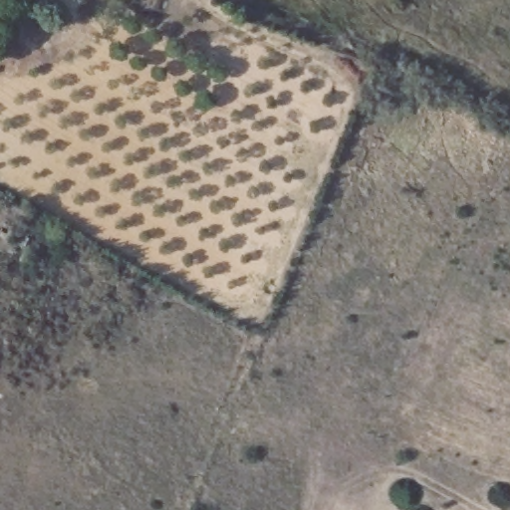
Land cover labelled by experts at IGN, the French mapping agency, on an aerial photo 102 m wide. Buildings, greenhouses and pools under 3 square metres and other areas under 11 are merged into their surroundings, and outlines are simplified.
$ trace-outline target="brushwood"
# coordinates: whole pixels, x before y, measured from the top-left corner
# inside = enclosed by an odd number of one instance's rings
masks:
[[[502,510],[510,510],[510,484],[496,482],[488,492],[488,500]]]
[[[94,349],[116,351],[116,343],[124,337],[120,327],[124,325],[124,313],[116,311],[112,313],[112,321],[100,321],[86,329],[86,339],[92,343]]]
[[[62,371],[62,379],[56,379],[50,367],[62,363],[64,347],[70,343],[70,339],[78,337],[78,327],[84,319],[80,295],[76,291],[68,291],[68,281],[62,277],[62,265],[52,263],[50,259],[38,261],[32,255],[38,247],[46,243],[46,221],[50,217],[62,223],[62,241],[68,259],[78,261],[80,253],[86,251],[90,245],[98,245],[98,249],[106,249],[106,245],[110,243],[108,239],[98,237],[98,227],[90,225],[76,213],[70,213],[60,203],[60,199],[52,197],[50,193],[32,195],[28,191],[14,189],[0,181],[0,201],[6,207],[20,205],[22,209],[30,211],[28,217],[16,217],[6,221],[8,225],[12,225],[10,243],[14,245],[14,253],[10,255],[0,251],[0,369],[2,365],[10,367],[8,381],[14,386],[22,384],[34,388],[36,382],[34,377],[30,377],[30,369],[48,379],[46,390],[52,390],[54,386],[68,388],[72,384],[66,371]]]
[[[249,446],[245,448],[245,456],[249,462],[259,462],[265,458],[267,446]]]
[[[410,478],[400,480],[396,480],[388,490],[392,504],[400,510],[432,510],[422,502],[422,486],[418,482]]]

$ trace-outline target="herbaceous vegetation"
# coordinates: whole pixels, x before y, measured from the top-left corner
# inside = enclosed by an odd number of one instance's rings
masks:
[[[48,74],[60,62],[90,58],[98,50],[100,42],[94,38],[94,34],[102,32],[104,28],[96,18],[66,28],[50,38],[38,26],[36,20],[16,18],[12,22],[12,28],[8,30],[8,40],[2,54],[6,60],[0,60],[0,74],[4,72],[8,78],[42,76]]]
[[[14,386],[8,381],[10,367],[2,365],[0,369],[0,510],[333,510],[337,494],[363,494],[369,488],[382,484],[382,476],[388,472],[394,472],[400,480],[410,478],[418,482],[422,486],[422,502],[432,510],[502,510],[488,500],[488,492],[496,482],[510,484],[510,139],[498,135],[496,131],[480,131],[470,112],[460,114],[456,110],[432,110],[430,106],[420,106],[414,116],[410,108],[404,106],[392,106],[390,110],[379,106],[375,124],[361,127],[359,131],[359,141],[353,149],[353,157],[343,167],[343,197],[329,203],[331,217],[327,217],[321,223],[319,239],[307,251],[303,273],[295,287],[297,295],[289,303],[287,315],[279,321],[277,331],[271,337],[247,333],[237,327],[243,319],[235,315],[231,317],[231,323],[225,323],[215,313],[185,301],[179,293],[175,293],[173,287],[165,285],[159,279],[153,279],[151,285],[145,285],[143,289],[135,287],[131,279],[122,279],[112,265],[96,261],[98,249],[98,245],[90,245],[86,251],[80,253],[78,261],[68,259],[62,265],[62,277],[68,281],[68,291],[76,291],[80,295],[84,319],[78,327],[78,337],[70,339],[70,343],[64,347],[62,363],[50,367],[56,379],[62,379],[62,371],[66,371],[72,384],[68,388],[54,386],[52,390],[46,390],[48,379],[30,369],[30,377],[34,377],[36,382],[34,388],[22,384]],[[116,351],[94,349],[92,343],[86,339],[86,329],[100,321],[112,321],[112,313],[116,311],[124,313],[124,325],[120,327],[124,337],[116,343]],[[249,446],[267,446],[265,458],[259,462],[249,462],[245,456],[245,448]]]
[[[22,209],[20,205],[6,207],[0,201],[0,251],[10,255],[14,253],[14,245],[10,243],[12,225],[8,225],[6,221],[16,217],[28,217],[30,211]]]
[[[355,24],[359,24],[359,30],[365,34],[367,40],[382,44],[400,42],[402,46],[424,56],[452,56],[460,64],[464,64],[472,74],[480,74],[484,82],[488,82],[490,86],[510,90],[510,0],[213,0],[213,4],[221,6],[239,24],[259,24],[271,32],[279,32],[289,38],[297,38],[301,42],[327,48],[339,34],[343,34],[345,30],[353,30]]]
[[[122,0],[126,8],[135,12],[135,22],[141,26],[157,26],[157,22],[165,16],[163,6],[169,0]]]

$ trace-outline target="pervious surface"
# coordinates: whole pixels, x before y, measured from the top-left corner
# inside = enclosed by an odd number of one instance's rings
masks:
[[[394,472],[388,472],[382,476],[382,484],[369,488],[363,494],[337,494],[333,510],[400,510],[392,504],[388,490],[396,480],[400,480]]]
[[[34,6],[56,6],[58,16],[66,28],[96,18],[100,0],[28,0]]]

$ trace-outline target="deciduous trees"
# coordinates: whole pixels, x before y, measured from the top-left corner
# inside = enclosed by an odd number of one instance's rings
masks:
[[[199,145],[189,151],[183,151],[173,161],[163,159],[147,167],[145,173],[153,177],[173,169],[183,159],[191,161],[207,155],[209,145]]]
[[[44,108],[40,108],[40,118],[58,114],[66,108],[66,102],[52,100]]]
[[[460,64],[452,56],[424,56],[402,46],[400,42],[382,44],[367,40],[365,34],[359,30],[359,24],[355,24],[353,30],[345,30],[343,34],[339,34],[327,48],[335,52],[337,60],[341,64],[347,64],[349,70],[357,76],[361,94],[357,96],[355,108],[349,114],[345,133],[341,135],[337,151],[331,159],[331,169],[325,175],[325,181],[315,197],[315,207],[309,213],[305,235],[285,273],[285,283],[281,285],[275,279],[267,279],[263,283],[263,293],[273,299],[271,313],[261,321],[243,319],[237,327],[247,333],[271,337],[277,331],[279,321],[287,315],[289,303],[297,295],[295,287],[303,273],[307,251],[319,239],[321,223],[327,217],[331,217],[329,203],[343,197],[343,167],[353,157],[353,149],[359,141],[359,131],[361,127],[375,124],[379,106],[390,110],[392,106],[404,106],[410,108],[414,116],[420,106],[430,106],[432,110],[456,110],[460,114],[470,112],[480,131],[496,131],[498,135],[510,139],[510,90],[490,86],[488,82],[484,82],[480,74],[472,74],[464,64]]]
[[[177,187],[187,181],[195,181],[195,171],[183,171],[175,177],[169,177],[167,185]]]
[[[253,143],[251,147],[237,151],[241,159],[257,157],[265,151],[263,143]]]
[[[151,110],[157,114],[167,108],[177,108],[181,104],[183,94],[175,94],[171,100],[151,104]]]
[[[187,133],[175,133],[161,141],[161,149],[183,145],[189,141]]]
[[[165,50],[161,50],[163,56],[169,62],[185,66],[183,74],[173,76],[177,84],[191,80],[193,76],[203,76],[207,82],[221,76],[227,78],[211,62],[203,60],[201,56],[195,56],[195,52],[181,50],[171,38],[167,38]]]
[[[102,32],[94,34],[94,38],[100,42],[108,40],[112,58],[126,60],[127,64],[131,64],[131,68],[143,70],[135,54],[124,56],[122,42],[118,42],[114,36],[120,26],[124,26],[129,32],[129,38],[141,38],[145,44],[153,46],[161,38],[153,30],[141,34],[141,26],[135,22],[135,12],[126,8],[122,0],[100,0],[96,18],[104,28]]]
[[[131,100],[157,94],[159,84],[167,76],[161,70],[155,70],[149,82],[145,82],[137,92],[131,94]]]
[[[221,147],[247,139],[245,131],[233,131],[217,139]]]
[[[159,187],[145,187],[133,195],[135,205],[149,203],[163,195]]]
[[[127,155],[126,163],[143,161],[147,159],[147,155],[153,153],[153,147],[141,147]]]
[[[50,259],[52,263],[62,265],[68,259],[62,241],[62,223],[50,217],[46,221],[46,243],[38,247],[32,255],[38,261]]]
[[[106,245],[106,249],[98,249],[96,261],[112,265],[122,279],[131,279],[135,287],[143,289],[145,285],[151,285],[153,279],[159,279],[165,285],[173,287],[175,293],[179,293],[185,301],[215,313],[225,323],[231,323],[231,317],[235,315],[231,307],[213,301],[211,293],[201,295],[199,285],[187,279],[187,275],[191,273],[191,265],[205,261],[205,251],[193,251],[185,255],[185,263],[181,265],[181,269],[173,273],[169,265],[143,263],[143,251],[139,247],[108,239],[110,243]]]
[[[251,223],[259,215],[259,209],[245,209],[233,217],[235,225]]]
[[[8,40],[8,30],[12,28],[12,22],[16,18],[36,20],[38,26],[50,38],[66,28],[58,16],[56,6],[34,6],[28,0],[0,0],[0,60],[6,60],[2,54]]]
[[[259,68],[273,68],[285,62],[285,54],[271,48],[267,52],[267,58],[259,60]]]
[[[235,122],[249,120],[255,129],[275,126],[275,118],[259,120],[257,106],[245,106],[243,110],[233,112]]]
[[[179,20],[181,28],[189,26],[193,18],[201,22],[209,20],[211,14],[207,10],[197,8],[193,14],[187,14]]]
[[[245,235],[233,235],[221,241],[221,251],[237,249],[245,243]]]
[[[205,114],[205,110],[199,110],[193,104],[189,110],[171,114],[175,126],[183,122],[193,122],[195,133],[205,135],[207,131],[227,126],[223,118],[213,118],[207,124],[201,124],[201,116]]]

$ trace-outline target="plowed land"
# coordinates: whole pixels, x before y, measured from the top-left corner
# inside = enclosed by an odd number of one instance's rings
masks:
[[[211,14],[209,20],[201,22],[193,18],[189,26],[181,28],[179,20],[187,14],[193,14],[197,8],[207,10]],[[28,191],[32,195],[50,193],[52,197],[60,199],[60,203],[70,213],[76,213],[90,225],[98,227],[98,237],[108,239],[139,247],[143,251],[143,263],[169,265],[173,273],[181,269],[181,265],[185,263],[185,255],[193,251],[205,251],[205,261],[191,265],[191,273],[187,275],[187,279],[199,285],[201,295],[211,293],[213,301],[231,307],[235,315],[243,319],[261,321],[271,313],[273,299],[263,293],[263,283],[267,279],[275,279],[281,285],[285,283],[285,273],[305,235],[309,213],[315,207],[315,197],[325,181],[325,175],[331,169],[331,159],[337,151],[341,135],[345,133],[349,114],[355,108],[357,96],[361,94],[357,76],[349,70],[347,64],[341,64],[337,60],[335,52],[327,48],[301,42],[297,38],[289,38],[279,32],[271,32],[259,24],[239,24],[221,6],[213,4],[213,0],[169,0],[163,6],[165,16],[157,22],[157,26],[141,26],[141,34],[153,30],[161,38],[153,46],[145,44],[141,38],[129,38],[129,32],[124,26],[120,26],[114,36],[118,42],[122,42],[124,56],[135,54],[143,70],[131,68],[131,64],[127,64],[126,60],[112,58],[108,40],[100,42],[98,50],[90,58],[60,62],[48,74],[42,76],[8,78],[4,72],[0,74],[0,181],[14,189]],[[181,50],[195,52],[195,56],[201,56],[203,60],[211,62],[227,78],[221,76],[207,82],[203,76],[193,76],[191,80],[177,84],[173,76],[183,74],[185,66],[169,62],[163,56],[161,50],[165,50],[167,38],[171,38]],[[285,54],[285,62],[273,68],[259,68],[259,60],[267,58],[267,52],[271,48]],[[149,82],[155,70],[161,70],[167,76],[159,84],[157,94],[131,100],[131,94],[137,92],[145,82]],[[175,94],[183,94],[181,104],[177,108],[167,108],[157,114],[151,110],[151,104],[171,100]],[[66,102],[66,108],[58,114],[40,118],[40,108],[44,108],[52,100]],[[189,110],[193,104],[199,110],[205,110],[205,114],[201,116],[201,124],[207,124],[213,118],[223,118],[227,126],[207,131],[205,135],[195,133],[193,122],[183,122],[175,126],[171,114]],[[249,120],[235,122],[233,112],[243,110],[245,106],[257,106],[259,120],[275,118],[275,126],[255,129]],[[217,139],[233,131],[245,131],[247,139],[221,147]],[[183,145],[161,149],[161,141],[175,133],[187,133],[189,141]],[[263,143],[265,151],[257,157],[241,159],[237,151],[251,147],[253,143]],[[183,151],[189,151],[199,145],[209,145],[207,155],[191,161],[183,159],[173,169],[153,177],[145,173],[147,167],[163,159],[173,161]],[[141,147],[153,147],[153,153],[147,155],[147,159],[143,161],[126,163],[127,155]],[[187,181],[177,187],[167,185],[169,177],[175,177],[183,171],[195,171],[195,181]],[[159,187],[163,195],[149,203],[135,205],[133,195],[145,187]],[[245,209],[259,209],[259,215],[251,223],[235,225],[233,217]],[[221,251],[221,241],[233,235],[245,235],[245,243],[237,249]]]

